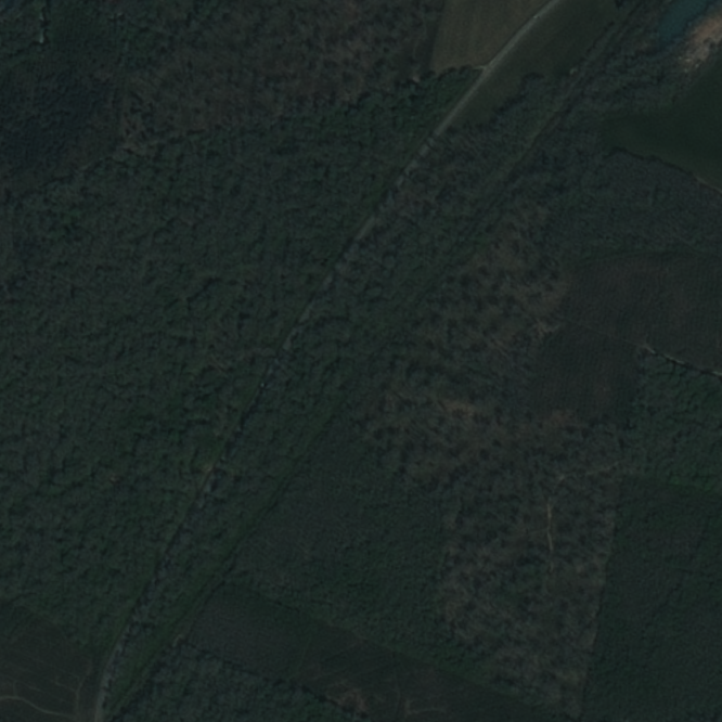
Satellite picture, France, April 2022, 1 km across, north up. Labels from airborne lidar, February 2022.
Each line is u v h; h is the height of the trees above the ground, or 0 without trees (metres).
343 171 25
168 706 29
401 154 27
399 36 23
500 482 23
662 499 13
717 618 15
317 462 18
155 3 21
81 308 29
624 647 14
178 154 24
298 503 19
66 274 25
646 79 24
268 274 29
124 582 28
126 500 26
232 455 19
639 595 9
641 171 20
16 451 24
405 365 25
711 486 21
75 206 21
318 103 25
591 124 17
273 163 29
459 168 28
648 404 24
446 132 0
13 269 22
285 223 29
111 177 20
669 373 22
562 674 27
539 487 24
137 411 21
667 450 24
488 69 0
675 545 11
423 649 18
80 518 32
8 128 7
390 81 26
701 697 15
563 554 23
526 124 28
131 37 14
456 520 29
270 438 25
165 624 24
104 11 13
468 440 25
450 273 14
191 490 30
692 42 0
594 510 24
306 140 30
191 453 33
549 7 0
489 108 0
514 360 25
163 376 28
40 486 33
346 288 29
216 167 28
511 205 22
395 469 27
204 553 31
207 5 21
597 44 7
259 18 24
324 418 20
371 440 28
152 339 26
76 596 31
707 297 7
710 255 13
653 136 0
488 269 0
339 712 22
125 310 25
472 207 27
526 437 0
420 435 26
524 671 23
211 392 28
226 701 30
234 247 28
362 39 29
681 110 0
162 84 30
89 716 0
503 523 26
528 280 0
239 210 29
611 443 26
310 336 26
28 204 22
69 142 10
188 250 27
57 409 26
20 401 20
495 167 27
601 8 0
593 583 24
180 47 24
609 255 8
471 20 0
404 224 30
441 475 0
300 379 21
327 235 24
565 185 20
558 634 0
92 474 33
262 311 26
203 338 26
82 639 28
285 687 20
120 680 27
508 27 0
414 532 20
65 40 8
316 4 31
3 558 29
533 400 7
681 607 14
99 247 28
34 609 23
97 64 9
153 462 31
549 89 25
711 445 23
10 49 15
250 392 13
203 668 28
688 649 12
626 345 6
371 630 18
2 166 10
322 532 18
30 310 20
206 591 11
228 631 7
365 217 27
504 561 27
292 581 20
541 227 30
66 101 11
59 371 24
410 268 30
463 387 24
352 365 22
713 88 0
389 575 16
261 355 28
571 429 0
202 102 23
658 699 13
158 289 26
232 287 25
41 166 11
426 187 30
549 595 24
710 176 0
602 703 15
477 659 17
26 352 25
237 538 15
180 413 19
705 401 25
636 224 23
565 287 23
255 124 18
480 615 25
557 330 23
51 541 29
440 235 29
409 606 19
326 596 18
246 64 25
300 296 24
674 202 24
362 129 25
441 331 26
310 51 26
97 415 26
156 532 28
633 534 8
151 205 27
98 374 26
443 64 0
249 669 14
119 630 27
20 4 17
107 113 6
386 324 23
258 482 26
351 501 19
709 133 0
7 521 33
